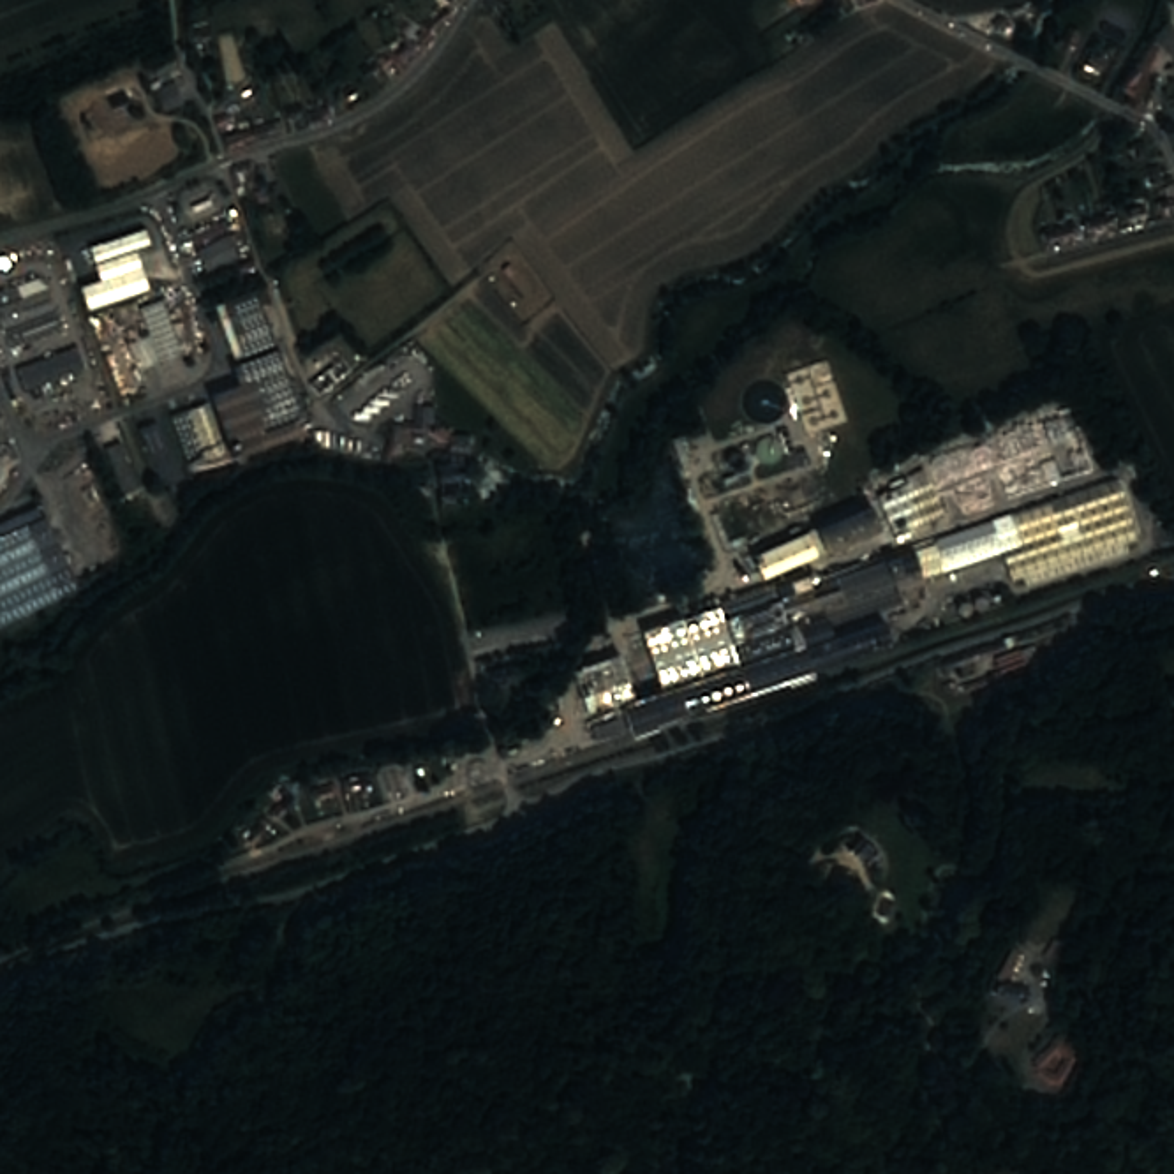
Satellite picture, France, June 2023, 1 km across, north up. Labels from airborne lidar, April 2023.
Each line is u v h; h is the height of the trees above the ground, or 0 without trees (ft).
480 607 0
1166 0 0
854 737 100
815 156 0
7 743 0
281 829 0
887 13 0
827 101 0
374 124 0
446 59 0
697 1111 93
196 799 0
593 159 0
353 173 0
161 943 61
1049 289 0
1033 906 59
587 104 0
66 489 0
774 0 0
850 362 0
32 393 0
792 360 0
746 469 0
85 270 0
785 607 0
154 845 0
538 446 0
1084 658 65
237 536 0
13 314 0
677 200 0
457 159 0
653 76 0
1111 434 61
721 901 99
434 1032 94
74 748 0
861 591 0
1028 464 0
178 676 0
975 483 0
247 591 0
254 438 0
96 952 67
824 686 55
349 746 0
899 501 0
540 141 0
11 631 0
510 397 0
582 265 0
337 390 0
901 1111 68
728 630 0
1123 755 53
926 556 0
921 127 26
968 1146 69
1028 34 40
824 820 81
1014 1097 79
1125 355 0
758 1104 77
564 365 0
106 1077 83
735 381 0
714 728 0
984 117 0
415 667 0
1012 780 68
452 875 93
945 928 76
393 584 0
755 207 0
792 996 86
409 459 0
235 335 0
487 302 0
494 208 0
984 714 22
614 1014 68
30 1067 65
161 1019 0
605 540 62
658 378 0
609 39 0
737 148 0
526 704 58
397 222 0
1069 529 0
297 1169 90
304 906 23
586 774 0
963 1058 73
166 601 0
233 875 0
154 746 0
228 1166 81
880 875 38
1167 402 0
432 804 0
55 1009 66
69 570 0
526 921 77
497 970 76
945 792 97
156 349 0
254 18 0
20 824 0
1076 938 91
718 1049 90
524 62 0
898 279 0
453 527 24
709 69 0
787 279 0
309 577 0
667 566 0
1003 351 0
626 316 0
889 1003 59
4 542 0
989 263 0
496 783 0
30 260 0
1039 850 54
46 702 0
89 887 0
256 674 0
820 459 0
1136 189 33
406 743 39
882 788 85
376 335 0
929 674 0
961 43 0
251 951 71
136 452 0
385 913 90
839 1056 91
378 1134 80
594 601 67
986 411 69
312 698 0
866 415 0
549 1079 72
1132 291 0
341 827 0
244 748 0
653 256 0
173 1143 75
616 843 86
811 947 78
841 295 0
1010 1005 0
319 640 0
